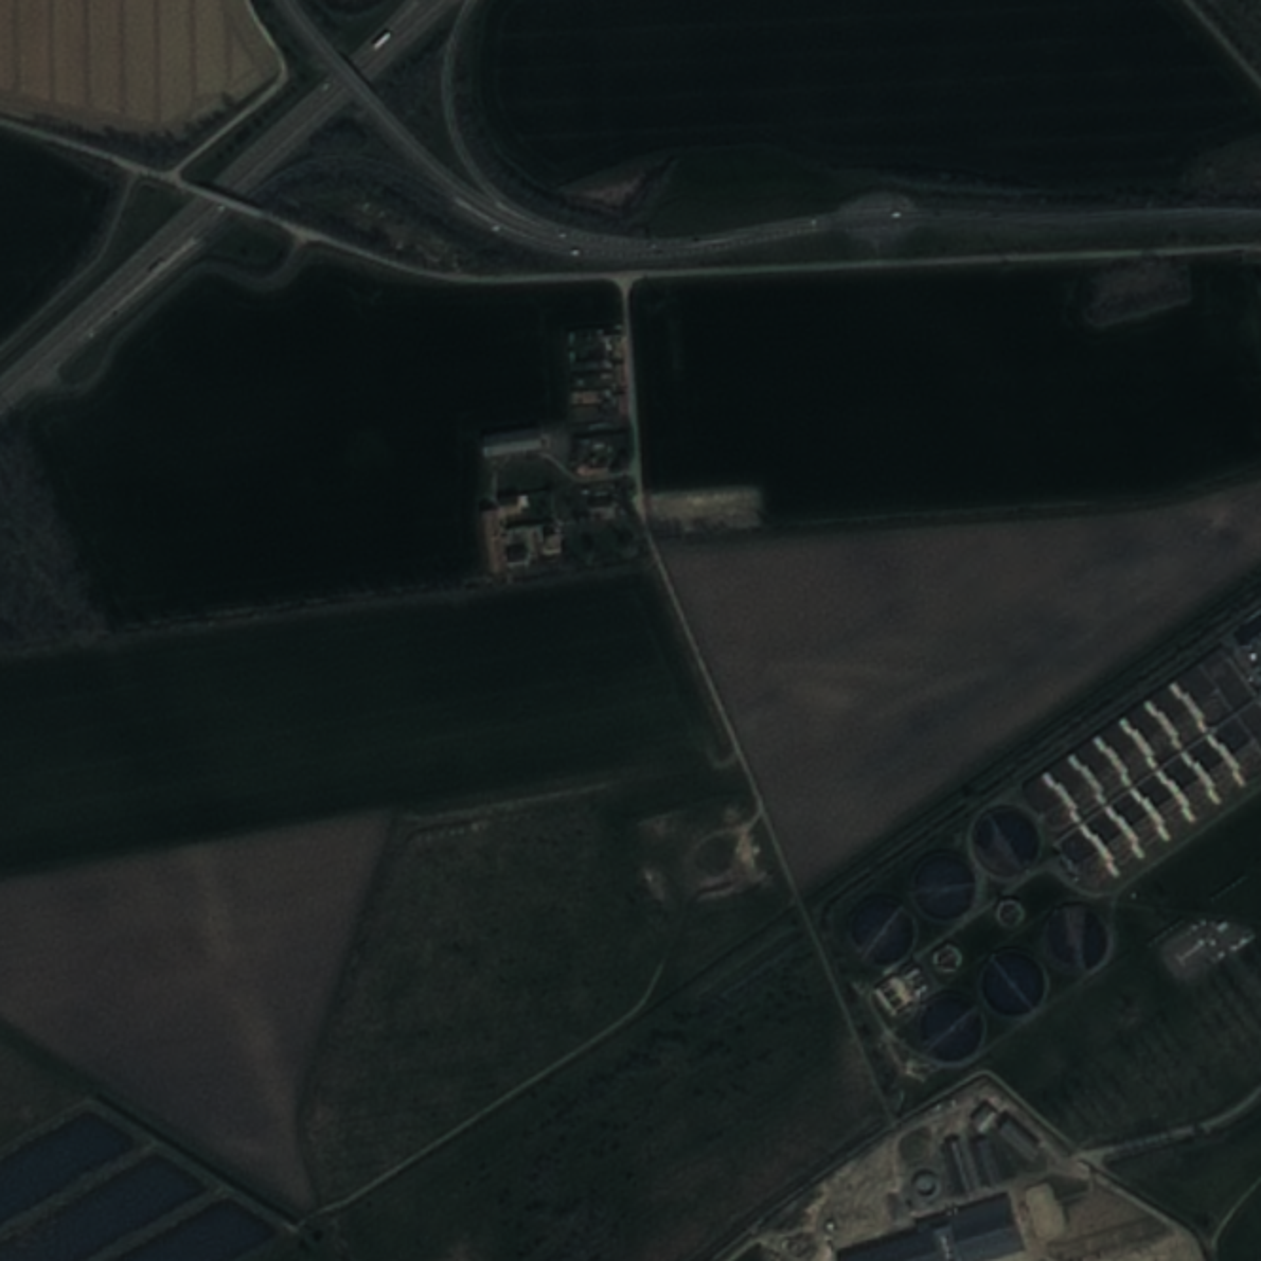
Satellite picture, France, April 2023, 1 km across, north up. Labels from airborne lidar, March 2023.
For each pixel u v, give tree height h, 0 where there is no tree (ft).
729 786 0
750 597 0
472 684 0
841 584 0
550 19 0
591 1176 0
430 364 0
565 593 0
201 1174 0
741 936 0
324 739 0
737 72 0
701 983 0
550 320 0
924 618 0
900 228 0
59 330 0
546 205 21
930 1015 0
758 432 0
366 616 0
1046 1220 0
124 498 0
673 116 0
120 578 0
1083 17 0
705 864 0
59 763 0
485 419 0
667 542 58
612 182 0
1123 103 0
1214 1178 0
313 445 0
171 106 0
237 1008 0
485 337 0
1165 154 0
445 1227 0
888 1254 0
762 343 0
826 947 0
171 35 0
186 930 0
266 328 0
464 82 28
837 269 0
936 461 0
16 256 0
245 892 0
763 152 0
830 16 0
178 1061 0
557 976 0
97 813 0
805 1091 0
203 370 0
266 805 0
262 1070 0
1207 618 0
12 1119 0
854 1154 0
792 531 0
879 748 0
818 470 0
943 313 0
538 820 0
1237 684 0
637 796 0
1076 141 0
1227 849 0
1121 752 0
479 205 0
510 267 35
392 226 0
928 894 0
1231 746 0
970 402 0
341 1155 0
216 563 0
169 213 0
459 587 68
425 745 0
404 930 0
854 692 0
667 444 0
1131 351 0
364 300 0
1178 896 0
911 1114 0
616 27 0
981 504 0
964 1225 0
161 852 0
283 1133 0
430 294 0
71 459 0
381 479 0
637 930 0
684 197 0
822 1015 0
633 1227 0
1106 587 0
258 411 0
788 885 0
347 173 20
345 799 0
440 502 0
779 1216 0
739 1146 0
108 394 0
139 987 0
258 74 0
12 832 0
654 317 0
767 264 0
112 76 0
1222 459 0
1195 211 0
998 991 0
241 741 0
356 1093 0
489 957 0
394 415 0
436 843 0
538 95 0
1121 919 0
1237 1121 0
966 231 0
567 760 0
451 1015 0
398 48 0
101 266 0
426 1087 0
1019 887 0
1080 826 0
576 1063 0
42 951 0
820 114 0
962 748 0
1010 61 0
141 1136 0
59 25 0
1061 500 0
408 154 0
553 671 0
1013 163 0
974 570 0
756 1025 0
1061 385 0
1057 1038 0
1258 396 0
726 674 0
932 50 0
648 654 0
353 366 0
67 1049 0
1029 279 0
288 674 0
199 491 0
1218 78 0
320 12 24
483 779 0
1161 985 0
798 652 0
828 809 0
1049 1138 0
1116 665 0
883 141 0
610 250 0
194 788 0
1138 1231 0
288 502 0
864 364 0
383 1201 0
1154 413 0
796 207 0
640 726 0
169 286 0
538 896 0
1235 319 0
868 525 0
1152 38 0
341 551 0
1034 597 0
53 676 0
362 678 0
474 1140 0
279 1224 0
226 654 0
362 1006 0
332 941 0
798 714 0
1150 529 0
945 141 0
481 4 0
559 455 0
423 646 0
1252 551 0
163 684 0
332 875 0
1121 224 0
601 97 0
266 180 0
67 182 0
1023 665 0
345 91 0
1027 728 0
